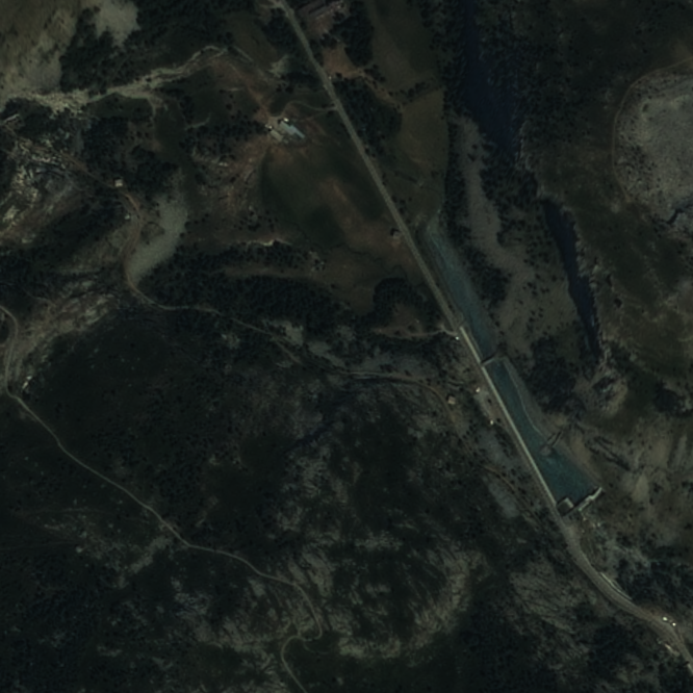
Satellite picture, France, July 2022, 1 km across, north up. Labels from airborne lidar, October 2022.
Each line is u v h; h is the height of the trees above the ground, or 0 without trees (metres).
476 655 13
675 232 0
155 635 0
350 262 0
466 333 0
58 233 8
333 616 0
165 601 0
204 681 0
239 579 0
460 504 0
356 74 0
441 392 0
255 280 12
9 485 0
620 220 0
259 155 0
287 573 0
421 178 0
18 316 0
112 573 8
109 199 6
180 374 0
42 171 0
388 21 0
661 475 0
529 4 0
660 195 0
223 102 0
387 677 0
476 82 14
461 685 0
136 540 0
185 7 21
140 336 0
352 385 6
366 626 0
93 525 0
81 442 0
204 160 0
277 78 0
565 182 0
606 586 0
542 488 0
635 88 0
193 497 7
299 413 0
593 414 0
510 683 8
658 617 0
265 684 0
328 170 0
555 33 6
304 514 7
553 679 6
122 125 8
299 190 0
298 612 0
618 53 0
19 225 0
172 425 6
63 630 8
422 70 0
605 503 0
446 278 0
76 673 6
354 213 0
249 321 8
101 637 0
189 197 0
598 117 0
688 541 0
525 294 0
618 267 0
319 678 0
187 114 17
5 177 0
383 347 9
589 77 0
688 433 0
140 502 0
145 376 0
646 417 0
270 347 7
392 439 0
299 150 0
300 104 0
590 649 7
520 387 0
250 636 0
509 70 10
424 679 0
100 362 0
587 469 0
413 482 0
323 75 0
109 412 0
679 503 0
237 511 0
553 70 0
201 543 10
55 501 0
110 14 0
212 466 0
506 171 8
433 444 0
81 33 13
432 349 7
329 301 9
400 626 0
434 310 7
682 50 0
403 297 9
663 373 0
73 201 0
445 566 0
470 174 0
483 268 6
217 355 11
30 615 11
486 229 0
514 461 0
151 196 7
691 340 0
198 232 0
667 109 0
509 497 0
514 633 7
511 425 0
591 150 0
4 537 0
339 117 0
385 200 0
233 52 11
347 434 0
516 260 0
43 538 0
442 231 0
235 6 13
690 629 0
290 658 0
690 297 0
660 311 0
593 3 0
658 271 0
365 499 0
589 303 6
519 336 0
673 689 8
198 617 0
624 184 0
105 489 0
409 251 0
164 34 13
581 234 0
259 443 0
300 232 0
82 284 0
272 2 0
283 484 0
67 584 10
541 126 9
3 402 0
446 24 8
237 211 0
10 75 0
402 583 0
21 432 0
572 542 0
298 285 8
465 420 0
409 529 0
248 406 7
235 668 0
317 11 0
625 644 9
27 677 9
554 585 0
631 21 0
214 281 11
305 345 7
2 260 7
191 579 0
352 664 0
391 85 0
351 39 14
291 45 23
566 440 0
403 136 0
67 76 9
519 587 0
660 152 0
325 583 0
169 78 0
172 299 7
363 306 0
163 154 0
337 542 0
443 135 0
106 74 11
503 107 6
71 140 9
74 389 0
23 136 6
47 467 0
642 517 0
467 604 0
